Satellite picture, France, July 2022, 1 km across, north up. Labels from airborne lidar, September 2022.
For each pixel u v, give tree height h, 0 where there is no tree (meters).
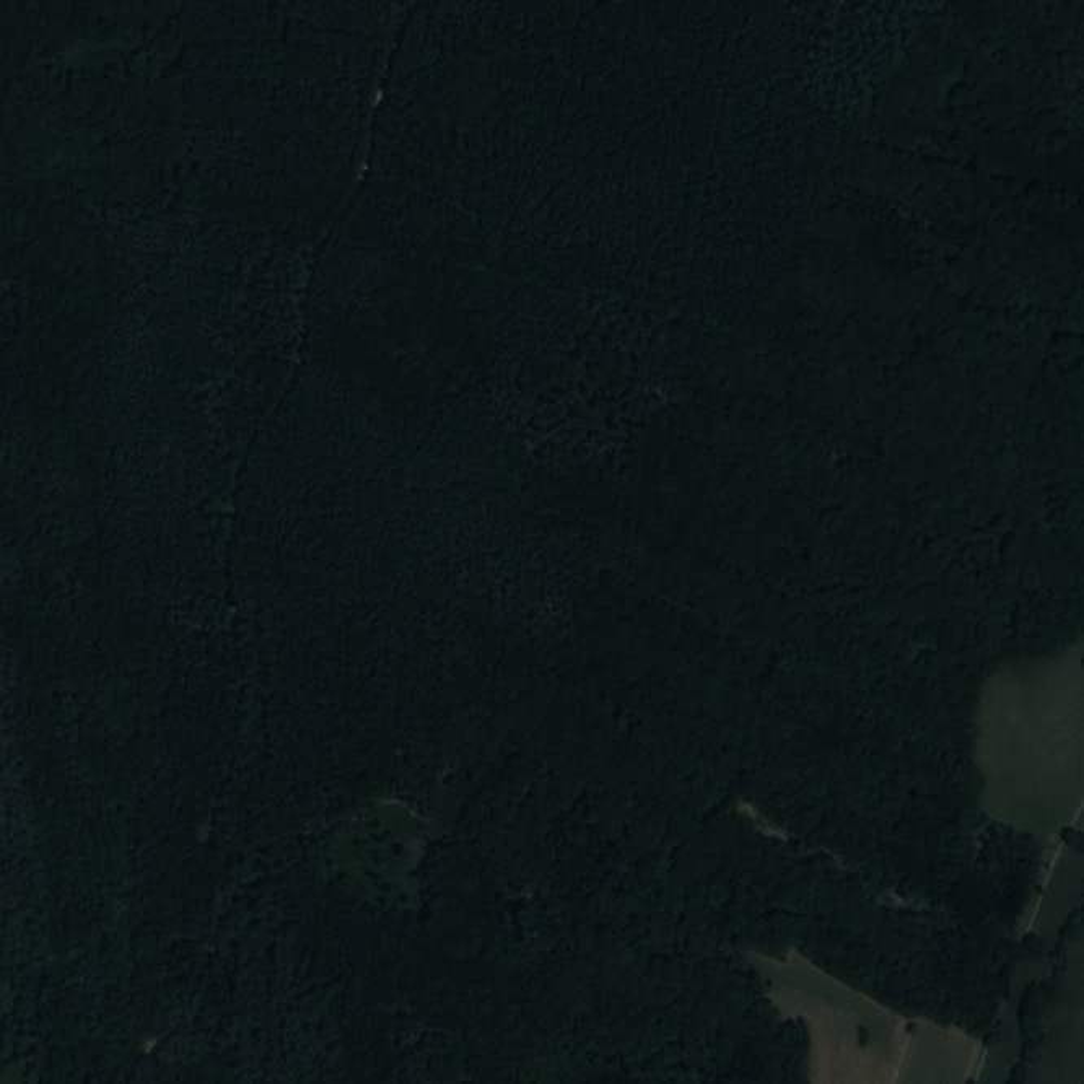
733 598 31
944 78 27
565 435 36
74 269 16
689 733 13
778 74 20
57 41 24
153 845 17
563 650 22
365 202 21
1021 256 29
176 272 22
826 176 20
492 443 19
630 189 20
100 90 26
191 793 22
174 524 23
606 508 20
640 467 22
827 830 29
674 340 26
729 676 14
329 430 21
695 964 21
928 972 23
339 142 25
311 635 23
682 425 21
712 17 12
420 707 24
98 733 20
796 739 23
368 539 22
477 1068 14
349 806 24
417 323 18
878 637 23
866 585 27
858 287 28
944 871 28
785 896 21
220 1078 19
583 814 14
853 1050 0
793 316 20
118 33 20
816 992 0
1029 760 0
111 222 21
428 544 19
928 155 7
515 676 20
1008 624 24
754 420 20
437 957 20
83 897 17
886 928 23
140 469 19
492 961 23
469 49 16
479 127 20
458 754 20
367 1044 13
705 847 25
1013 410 24
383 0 20
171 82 23
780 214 21
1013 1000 16
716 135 16
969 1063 0
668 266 20
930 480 25
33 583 22
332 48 19
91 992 19
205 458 18
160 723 18
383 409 16
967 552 16
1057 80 27
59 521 20
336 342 19
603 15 19
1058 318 26
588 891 22
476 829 16
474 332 20
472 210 20
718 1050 26
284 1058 26
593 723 26
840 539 25
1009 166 19
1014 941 21
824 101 21
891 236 27
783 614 28
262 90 23
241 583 24
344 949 8
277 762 24
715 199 22
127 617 15
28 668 16
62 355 16
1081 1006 0
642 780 26
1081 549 21
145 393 20
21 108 21
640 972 26
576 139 23
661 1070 27
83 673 17
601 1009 26
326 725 21
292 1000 30
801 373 20
